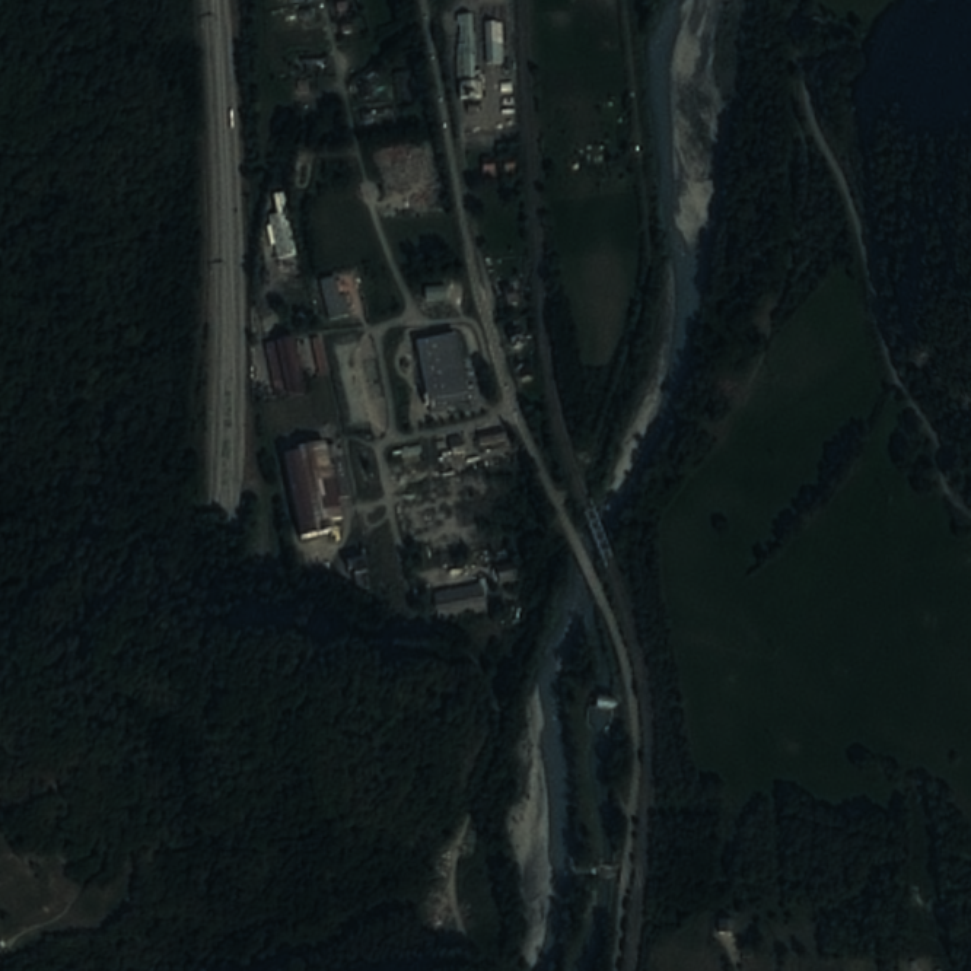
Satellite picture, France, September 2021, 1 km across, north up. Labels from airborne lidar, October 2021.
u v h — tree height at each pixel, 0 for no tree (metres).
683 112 0
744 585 0
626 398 17
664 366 0
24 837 22
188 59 27
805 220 13
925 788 20
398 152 0
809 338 0
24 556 27
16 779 16
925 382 24
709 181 0
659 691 14
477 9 0
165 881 21
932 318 22
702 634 0
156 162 16
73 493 35
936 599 0
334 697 21
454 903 0
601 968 21
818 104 20
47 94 16
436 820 21
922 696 0
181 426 26
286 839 18
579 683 20
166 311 30
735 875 20
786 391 0
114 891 0
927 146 17
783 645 0
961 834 22
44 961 23
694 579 0
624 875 0
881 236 28
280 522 13
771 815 13
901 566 0
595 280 0
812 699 0
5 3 22
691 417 20
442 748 22
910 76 27
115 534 24
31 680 22
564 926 20
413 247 0
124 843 19
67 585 21
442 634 19
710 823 13
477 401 0
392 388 0
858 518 0
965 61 32
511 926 18
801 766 0
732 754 0
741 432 0
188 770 31
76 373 20
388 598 6
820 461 0
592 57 0
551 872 0
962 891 24
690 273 0
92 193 26
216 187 0
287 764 28
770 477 0
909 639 0
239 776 14
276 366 0
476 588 0
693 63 0
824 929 14
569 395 18
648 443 0
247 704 21
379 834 21
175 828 22
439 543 0
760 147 15
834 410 0
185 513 11
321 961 17
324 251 0
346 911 32
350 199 0
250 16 18
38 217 14
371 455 0
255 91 13
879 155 18
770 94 14
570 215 0
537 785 0
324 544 0
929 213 24
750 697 0
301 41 0
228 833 16
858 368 0
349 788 16
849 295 0
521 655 10
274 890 29
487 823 23
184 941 18
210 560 22
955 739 0
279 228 0
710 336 18
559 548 7
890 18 0
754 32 14
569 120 0
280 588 32
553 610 23
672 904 8
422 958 31
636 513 16
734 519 0
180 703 19
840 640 0
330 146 11
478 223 27
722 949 0
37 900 0
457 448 0
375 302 0
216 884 27
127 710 21
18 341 28
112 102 26
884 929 22
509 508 7
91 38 24
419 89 17
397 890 31
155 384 18
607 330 0
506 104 0
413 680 19
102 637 19
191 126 24
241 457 0
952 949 9
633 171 7
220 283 0
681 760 15
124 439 27
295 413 0
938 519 0
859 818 20
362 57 0
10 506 14
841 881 18
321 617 19
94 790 18
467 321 0
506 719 12
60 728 22
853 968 0
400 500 0
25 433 22
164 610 30
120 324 20
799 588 0
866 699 0
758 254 21
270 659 22
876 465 0
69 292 28
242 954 25
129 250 23
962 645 0
